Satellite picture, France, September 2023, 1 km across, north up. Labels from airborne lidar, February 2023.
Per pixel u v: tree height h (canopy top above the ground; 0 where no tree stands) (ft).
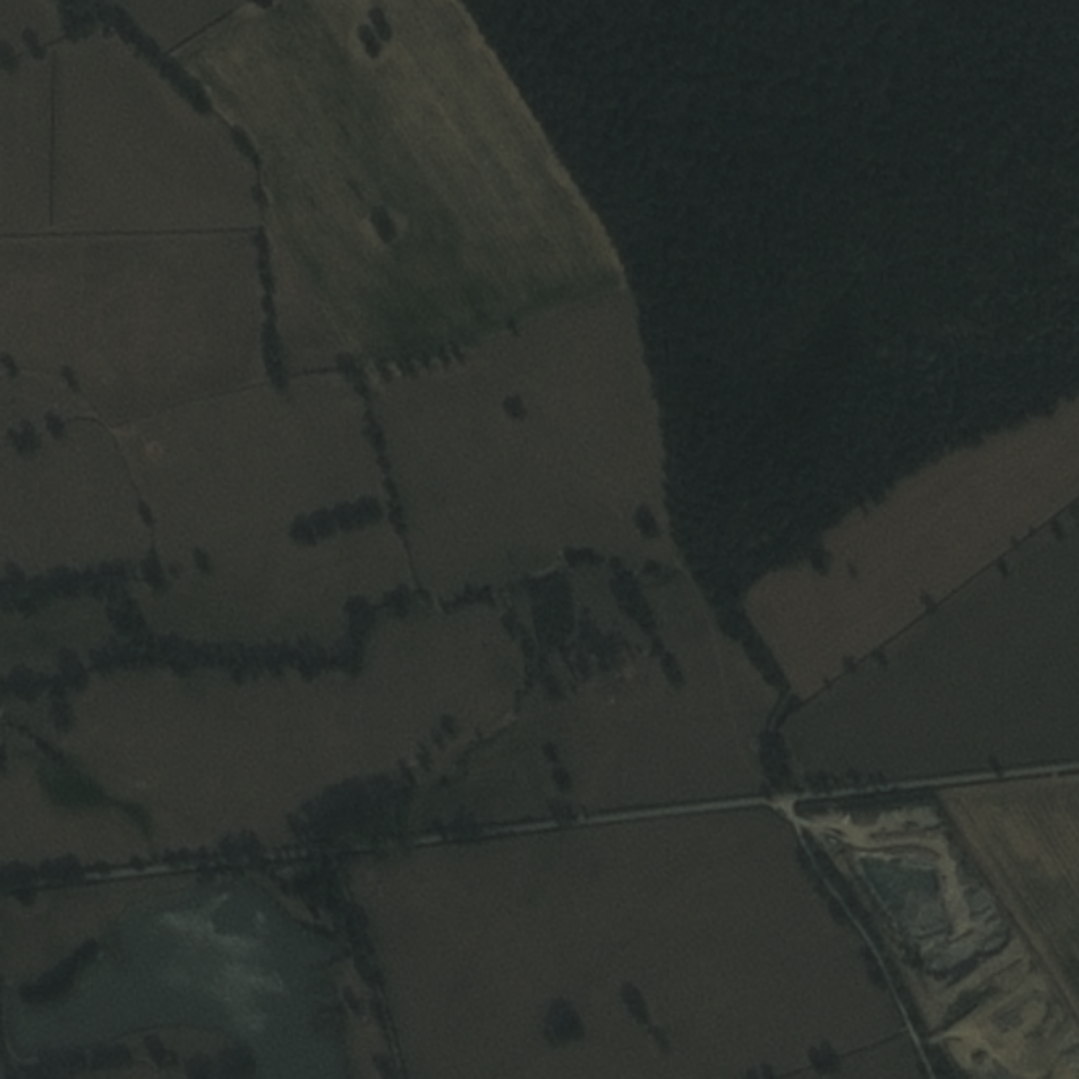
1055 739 0
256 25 0
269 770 0
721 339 66
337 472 0
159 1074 0
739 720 0
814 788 43
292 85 0
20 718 0
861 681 0
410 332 0
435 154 0
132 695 0
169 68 45
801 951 0
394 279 0
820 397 23
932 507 0
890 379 64
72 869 47
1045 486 0
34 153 0
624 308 0
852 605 0
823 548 55
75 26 50
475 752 0
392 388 0
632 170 73
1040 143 63
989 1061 0
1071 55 76
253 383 0
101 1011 0
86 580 35
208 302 0
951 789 0
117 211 0
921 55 74
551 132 45
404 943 0
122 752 0
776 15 86
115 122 0
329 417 0
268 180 0
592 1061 0
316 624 0
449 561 0
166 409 0
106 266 0
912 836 0
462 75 0
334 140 0
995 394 40
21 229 0
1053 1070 0
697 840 0
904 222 34
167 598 0
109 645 0
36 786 0
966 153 71
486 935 0
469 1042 0
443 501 0
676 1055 0
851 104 84
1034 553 0
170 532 0
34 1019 0
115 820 0
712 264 63
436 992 0
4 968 0
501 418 0
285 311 0
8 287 0
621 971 0
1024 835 0
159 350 0
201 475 0
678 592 0
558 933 0
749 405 52
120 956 0
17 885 45
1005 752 0
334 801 44
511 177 0
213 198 0
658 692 0
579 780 0
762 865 0
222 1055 0
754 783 0
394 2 0
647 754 0
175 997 0
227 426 0
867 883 0
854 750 0
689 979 0
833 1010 0
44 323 0
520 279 0
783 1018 0
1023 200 48
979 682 0
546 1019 0
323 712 0
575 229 0
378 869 0
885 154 70
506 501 0
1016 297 69
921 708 0
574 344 0
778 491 67
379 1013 46
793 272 46
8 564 0
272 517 0
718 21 79
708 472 41
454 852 0
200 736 0
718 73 58
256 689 0
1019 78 70
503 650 0
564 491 0
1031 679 0
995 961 0
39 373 0
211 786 0
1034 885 0
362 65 0
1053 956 0
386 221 56
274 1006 0
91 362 0
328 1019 0
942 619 0
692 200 77
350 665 59
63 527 0
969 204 44
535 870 0
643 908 0
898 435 37
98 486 0
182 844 0
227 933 0
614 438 0
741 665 0
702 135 75
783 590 0
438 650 0
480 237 0
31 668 0
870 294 62
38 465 0
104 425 0
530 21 31
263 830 0
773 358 44
